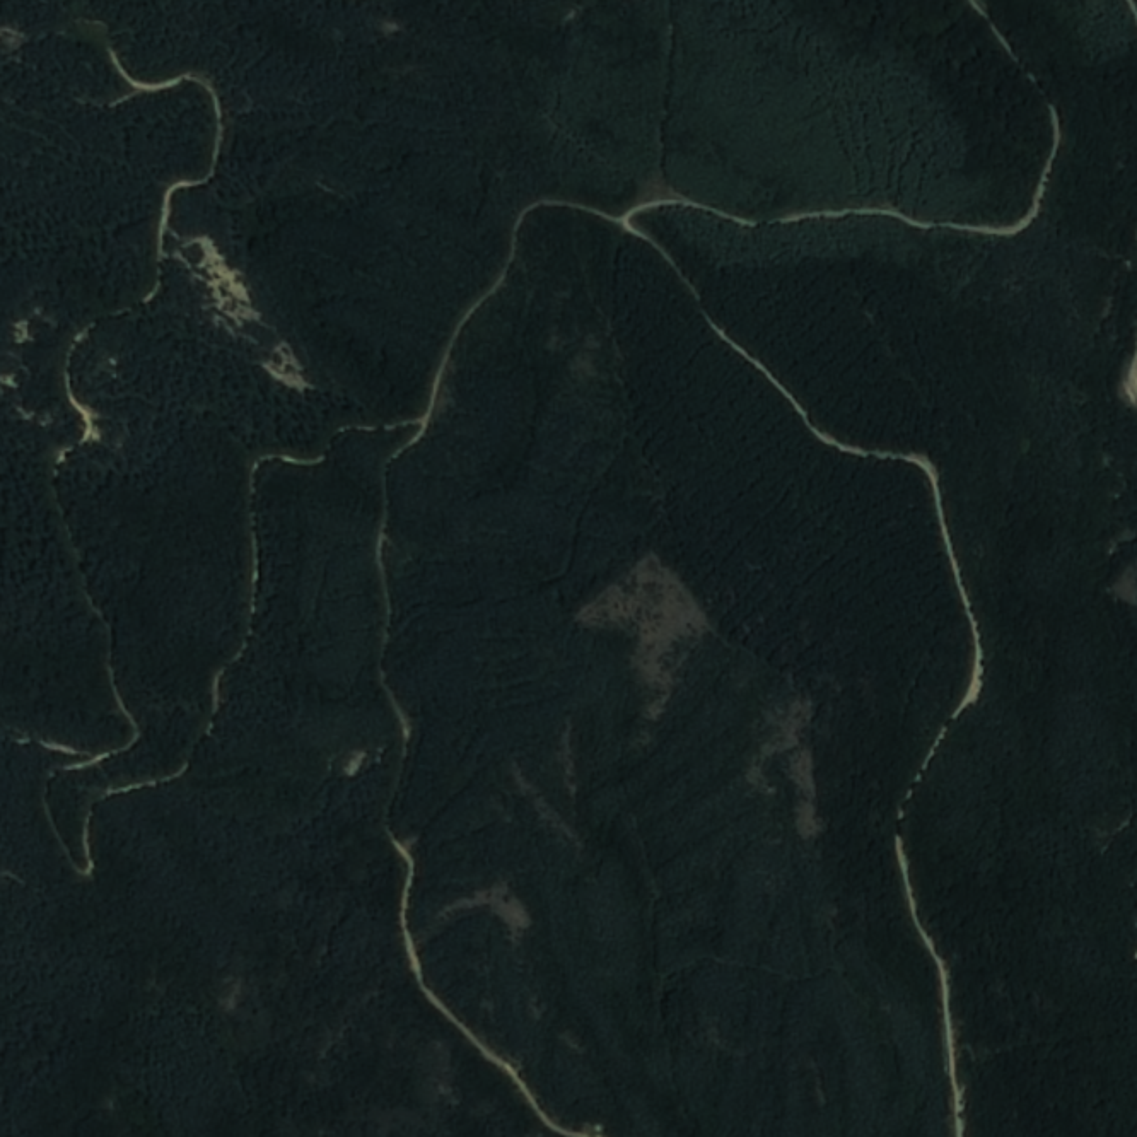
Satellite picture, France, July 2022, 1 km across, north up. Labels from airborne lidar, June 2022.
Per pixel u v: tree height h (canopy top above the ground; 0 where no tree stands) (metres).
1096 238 13
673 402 18
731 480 16
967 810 16
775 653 10
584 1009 10
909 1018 8
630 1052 12
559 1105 7
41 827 8
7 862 9
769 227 14
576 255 6
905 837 20
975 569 9
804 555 16
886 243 8
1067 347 14
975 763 12
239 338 7
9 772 13
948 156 16
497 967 9
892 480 17
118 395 14
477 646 13
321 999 7
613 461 6
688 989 9
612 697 10
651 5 8
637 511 8
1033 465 18
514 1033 10
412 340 11
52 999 9
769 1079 10
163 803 14
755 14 11
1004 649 16
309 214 8
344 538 9
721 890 8
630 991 12
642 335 15
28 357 7
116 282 12
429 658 9
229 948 12
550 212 8
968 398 16
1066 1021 24
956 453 11
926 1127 10
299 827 10
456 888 7
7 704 8
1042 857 17
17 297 16
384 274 11
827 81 11
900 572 18
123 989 12
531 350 8
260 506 11
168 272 12
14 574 10
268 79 13
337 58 17
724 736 7
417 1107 9
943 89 12
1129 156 11
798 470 15
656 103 10
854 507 17
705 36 11
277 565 12
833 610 16
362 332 12
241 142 10
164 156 12
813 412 16
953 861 15
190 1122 15
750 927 13
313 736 10
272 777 11
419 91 7
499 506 10
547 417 8
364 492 9
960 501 12
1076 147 8
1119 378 9
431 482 11
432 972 9
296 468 13
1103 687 18
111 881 9
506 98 8
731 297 16
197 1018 10
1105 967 14
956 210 10
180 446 14
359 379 6
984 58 19
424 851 8
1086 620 15
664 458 16
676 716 7
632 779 13
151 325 11
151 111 17
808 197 10
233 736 14
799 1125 13
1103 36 9
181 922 12
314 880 11
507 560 11
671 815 8
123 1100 6
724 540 21
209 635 17
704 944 11
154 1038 12
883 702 17
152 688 11
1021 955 22
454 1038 8
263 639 13
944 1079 7
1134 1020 21
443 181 13
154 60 11
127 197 13
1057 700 18
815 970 12
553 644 9
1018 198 7
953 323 14
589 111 10
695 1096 13
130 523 16
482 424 8
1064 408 10
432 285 9
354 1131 7
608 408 6
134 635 17
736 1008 12
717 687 7
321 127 13
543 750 9
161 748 13
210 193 15
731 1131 9
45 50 16
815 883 10
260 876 13
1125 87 12
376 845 8
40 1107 15
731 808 7
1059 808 14
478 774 8
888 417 16
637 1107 10
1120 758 11
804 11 8
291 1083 6
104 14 9
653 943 7
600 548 13
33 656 9
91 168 16
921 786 15
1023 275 12
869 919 14
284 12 6
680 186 10
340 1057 8
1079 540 12
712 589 18
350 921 15
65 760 11
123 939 10
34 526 20
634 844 12
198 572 12
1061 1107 18
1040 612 19
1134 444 16
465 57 9
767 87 10
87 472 13
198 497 11
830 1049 8
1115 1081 15
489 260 14
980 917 20
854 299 16
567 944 9
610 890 12
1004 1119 14
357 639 9
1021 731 17
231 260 7
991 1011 13
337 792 15
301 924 12
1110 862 14
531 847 9
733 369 17
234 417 10
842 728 12
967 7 18
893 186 13
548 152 10
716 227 15
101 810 13
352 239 7
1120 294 11
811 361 19
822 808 11
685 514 18
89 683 11
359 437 11
